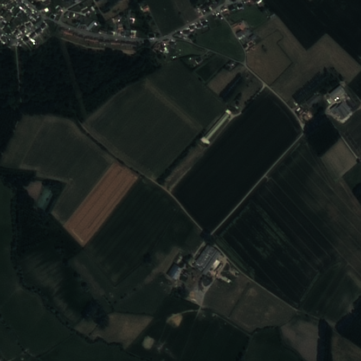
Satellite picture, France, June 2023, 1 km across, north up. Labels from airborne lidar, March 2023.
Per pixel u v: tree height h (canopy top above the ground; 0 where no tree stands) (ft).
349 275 0
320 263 0
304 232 0
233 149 0
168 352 0
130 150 0
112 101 0
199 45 0
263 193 0
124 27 28
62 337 0
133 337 0
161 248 0
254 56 0
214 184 0
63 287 0
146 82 0
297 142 0
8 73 36
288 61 0
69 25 0
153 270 0
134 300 0
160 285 0
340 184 0
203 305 0
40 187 0
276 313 0
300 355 0
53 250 0
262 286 0
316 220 0
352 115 0
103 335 0
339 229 0
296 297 0
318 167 0
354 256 0
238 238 0
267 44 0
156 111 0
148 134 0
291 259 0
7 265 0
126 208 0
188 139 0
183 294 77
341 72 0
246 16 0
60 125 0
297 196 0
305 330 0
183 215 0
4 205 0
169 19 0
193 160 0
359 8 0
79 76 49
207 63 0
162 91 0
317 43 0
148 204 0
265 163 0
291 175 0
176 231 0
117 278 0
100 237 0
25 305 0
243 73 0
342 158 0
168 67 0
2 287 0
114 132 0
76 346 0
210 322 0
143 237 0
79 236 0
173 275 0
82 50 19
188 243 0
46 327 0
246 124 0
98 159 0
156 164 0
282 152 0
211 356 0
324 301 0
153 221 0
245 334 0
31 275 0
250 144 0
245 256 0
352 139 0
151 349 0
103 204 0
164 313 0
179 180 0
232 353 0
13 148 0
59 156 0
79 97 0
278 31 0
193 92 0
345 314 0
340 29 0
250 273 0
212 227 0
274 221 0
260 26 0
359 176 0
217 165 0
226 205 0
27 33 0
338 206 0
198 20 0
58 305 0
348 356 0
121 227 0
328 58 0
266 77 0
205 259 0
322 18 0
